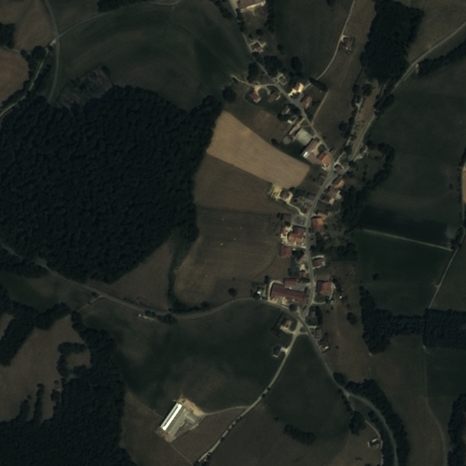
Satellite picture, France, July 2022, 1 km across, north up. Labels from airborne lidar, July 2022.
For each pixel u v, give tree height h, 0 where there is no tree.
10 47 14
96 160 21
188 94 0
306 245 0
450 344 25
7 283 0
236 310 0
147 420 0
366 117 0
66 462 11
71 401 17
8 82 0
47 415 0
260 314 0
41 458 13
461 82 0
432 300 0
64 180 25
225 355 0
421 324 18
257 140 0
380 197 0
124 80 0
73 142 25
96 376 21
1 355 15
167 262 0
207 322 0
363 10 0
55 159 32
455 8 0
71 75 0
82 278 19
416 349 0
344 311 0
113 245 27
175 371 0
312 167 0
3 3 0
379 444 0
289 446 0
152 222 18
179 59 0
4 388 0
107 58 0
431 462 0
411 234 0
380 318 24
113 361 16
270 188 0
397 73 21
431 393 0
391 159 21
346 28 0
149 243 22
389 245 0
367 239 0
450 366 0
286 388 0
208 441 0
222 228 0
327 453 0
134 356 0
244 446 0
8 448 7
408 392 0
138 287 0
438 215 0
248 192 0
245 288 0
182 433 0
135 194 12
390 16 28
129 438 0
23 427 18
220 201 0
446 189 0
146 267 0
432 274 0
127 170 22
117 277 22
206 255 0
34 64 11
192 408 0
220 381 0
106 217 30
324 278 0
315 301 0
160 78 0
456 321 23
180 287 0
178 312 11
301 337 0
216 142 0
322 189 0
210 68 0
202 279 0
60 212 26
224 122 0
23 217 23
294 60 12
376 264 0
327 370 0
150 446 0
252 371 0
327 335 7
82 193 26
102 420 15
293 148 0
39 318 26
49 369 0
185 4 0
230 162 0
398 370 0
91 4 0
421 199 0
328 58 0
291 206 0
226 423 0
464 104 0
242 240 0
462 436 21
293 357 0
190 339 0
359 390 29
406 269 0
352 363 0
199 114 22
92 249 27
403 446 18
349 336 0
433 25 0
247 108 0
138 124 27
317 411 0
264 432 0
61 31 0
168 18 0
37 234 21
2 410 0
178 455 0
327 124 0
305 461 0
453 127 0
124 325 0
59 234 29
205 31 0
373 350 23
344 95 0
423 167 0
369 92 8
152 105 27
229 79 0
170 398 0
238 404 0
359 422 17
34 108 22
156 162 18
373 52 19
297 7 0
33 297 0
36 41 0
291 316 0
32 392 0
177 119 20
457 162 0
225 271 0
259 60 12
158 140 26
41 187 28
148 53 0
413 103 0
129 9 0
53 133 31
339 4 0
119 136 27
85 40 0
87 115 30
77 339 0
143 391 0
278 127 0
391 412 16
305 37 0
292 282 0
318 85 26
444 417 0
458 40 0
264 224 0
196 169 16
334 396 0
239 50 0
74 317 13
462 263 0
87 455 9
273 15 13
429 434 0
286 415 0
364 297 17
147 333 0
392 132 0
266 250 0
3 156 22
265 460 0
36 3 0
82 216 26
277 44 0
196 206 21
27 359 0
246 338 0
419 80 0
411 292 0
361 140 0
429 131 0
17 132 27
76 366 0
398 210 0
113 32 0
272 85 0
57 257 26
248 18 0
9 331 14
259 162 0
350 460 0
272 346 0
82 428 13
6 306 22
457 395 0
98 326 0
